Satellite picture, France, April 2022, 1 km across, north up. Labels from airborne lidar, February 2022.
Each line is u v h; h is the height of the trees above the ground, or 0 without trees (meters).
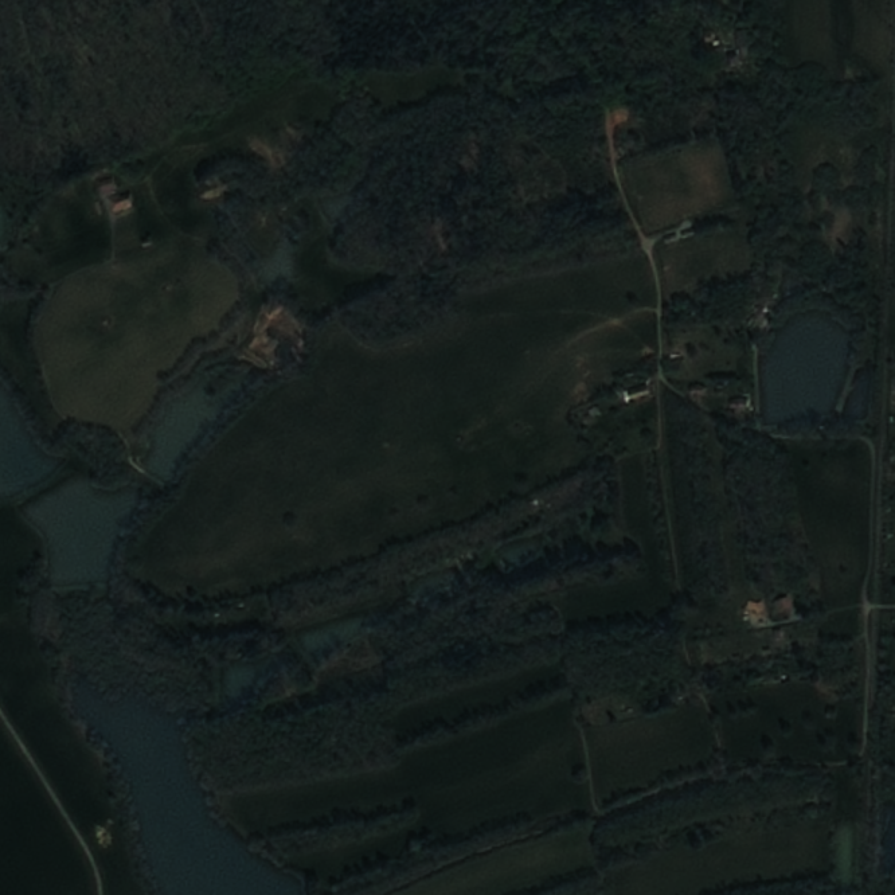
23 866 0
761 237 23
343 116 21
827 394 0
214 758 16
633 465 0
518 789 0
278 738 18
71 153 16
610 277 0
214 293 0
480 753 0
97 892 0
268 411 0
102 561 0
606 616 0
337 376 0
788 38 0
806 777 14
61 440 18
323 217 0
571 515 15
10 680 0
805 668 19
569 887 20
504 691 0
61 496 0
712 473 11
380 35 23
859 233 8
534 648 19
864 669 0
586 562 19
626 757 0
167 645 21
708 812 17
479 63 17
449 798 0
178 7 20
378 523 0
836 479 0
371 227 23
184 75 23
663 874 0
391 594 0
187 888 0
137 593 22
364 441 0
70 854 0
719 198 0
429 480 0
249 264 19
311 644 0
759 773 20
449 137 23
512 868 0
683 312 13
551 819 0
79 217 0
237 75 26
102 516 0
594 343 0
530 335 0
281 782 16
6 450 0
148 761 0
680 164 0
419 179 25
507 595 22
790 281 0
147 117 23
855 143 0
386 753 19
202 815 0
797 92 6
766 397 0
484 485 0
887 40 0
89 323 0
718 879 0
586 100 14
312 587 20
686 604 20
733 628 0
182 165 0
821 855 0
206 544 0
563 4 14
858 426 16
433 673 19
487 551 14
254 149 0
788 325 0
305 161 16
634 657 24
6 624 0
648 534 0
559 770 0
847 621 0
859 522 0
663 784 14
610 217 20
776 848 0
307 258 0
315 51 22
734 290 20
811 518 0
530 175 0
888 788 6
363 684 0
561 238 27
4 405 0
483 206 21
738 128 14
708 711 0
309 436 0
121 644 17
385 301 20
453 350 0
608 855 22
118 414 0
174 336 0
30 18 18
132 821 18
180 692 9
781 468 26
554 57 24
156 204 0
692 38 10
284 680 26
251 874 0
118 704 0
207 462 0
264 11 23
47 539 0
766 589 20
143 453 0
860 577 0
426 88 0
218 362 8
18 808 0
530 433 0
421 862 15
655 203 0
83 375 0
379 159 22
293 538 0
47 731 0
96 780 0
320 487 0
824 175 9
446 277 26
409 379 0
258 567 0
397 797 0
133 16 20
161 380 13
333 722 22
